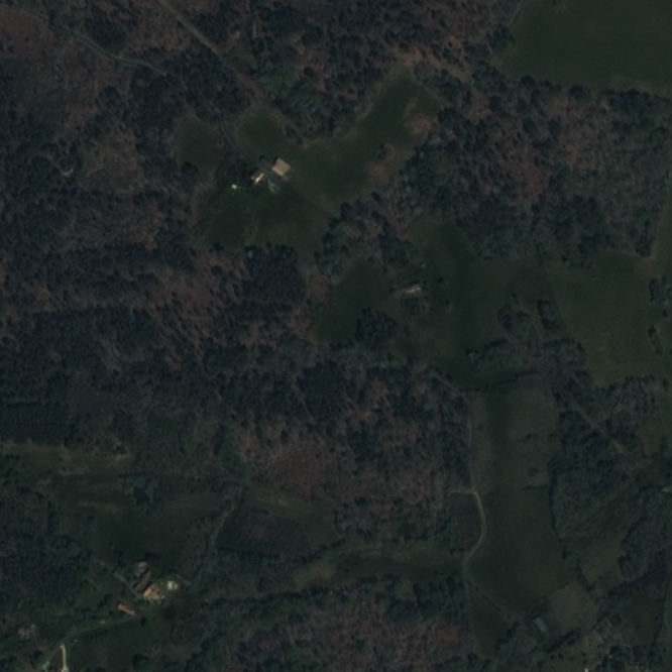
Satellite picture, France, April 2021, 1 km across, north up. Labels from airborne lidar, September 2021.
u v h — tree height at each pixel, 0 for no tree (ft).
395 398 29
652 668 38
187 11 36
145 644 0
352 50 67
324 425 69
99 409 21
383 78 68
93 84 34
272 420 41
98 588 52
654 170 83
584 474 53
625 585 26
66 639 26
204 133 0
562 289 0
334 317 0
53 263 63
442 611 29
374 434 45
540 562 0
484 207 49
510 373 0
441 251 0
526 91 34
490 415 0
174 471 49
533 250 64
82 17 52
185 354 52
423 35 74
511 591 0
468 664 32
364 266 0
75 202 59
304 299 82
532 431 0
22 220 25
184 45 64
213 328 31
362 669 33
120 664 0
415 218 39
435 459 49
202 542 22
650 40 0
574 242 83
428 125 0
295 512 0
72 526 30
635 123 60
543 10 0
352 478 32
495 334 0
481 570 0
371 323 80
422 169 80
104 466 0
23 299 86
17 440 48
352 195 0
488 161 41
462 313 0
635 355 0
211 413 63
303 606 89
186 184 59
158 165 67
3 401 58
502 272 0
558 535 42
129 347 45
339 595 36
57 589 84
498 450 0
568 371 46
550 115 44
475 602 0
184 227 60
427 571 0
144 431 24
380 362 45
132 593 24
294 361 63
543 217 68
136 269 75
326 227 0
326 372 82
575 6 0
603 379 0
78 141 21
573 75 0
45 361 70
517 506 0
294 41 54
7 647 28
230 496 60
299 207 0
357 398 71
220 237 0
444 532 44
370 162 0
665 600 22
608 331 0
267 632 70
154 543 0
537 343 46
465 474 86
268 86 67
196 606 0
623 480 50
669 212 0
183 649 0
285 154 0
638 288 0
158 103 38
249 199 0
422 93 0
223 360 89
